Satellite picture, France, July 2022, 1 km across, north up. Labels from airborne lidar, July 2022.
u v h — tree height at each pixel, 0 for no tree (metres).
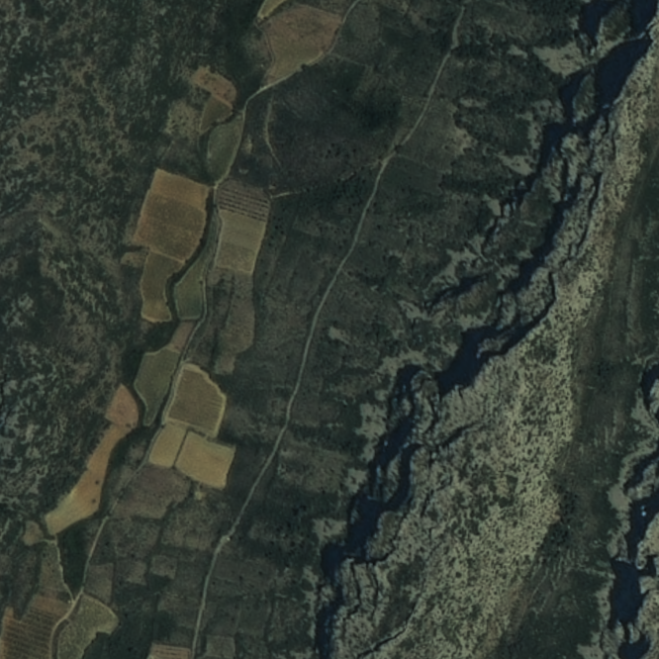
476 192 7
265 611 0
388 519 0
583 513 0
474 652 0
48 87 0
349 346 7
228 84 0
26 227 0
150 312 0
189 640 0
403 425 0
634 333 0
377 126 7
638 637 0
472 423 0
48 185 0
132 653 10
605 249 0
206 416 0
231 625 0
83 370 0
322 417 0
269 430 0
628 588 0
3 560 0
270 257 0
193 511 0
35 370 0
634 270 0
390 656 0
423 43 0
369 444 0
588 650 0
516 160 0
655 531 0
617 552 0
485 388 0
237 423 0
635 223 0
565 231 0
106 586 0
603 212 0
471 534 0
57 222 0
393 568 0
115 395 0
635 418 0
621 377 0
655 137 0
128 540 0
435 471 0
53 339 0
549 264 0
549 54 0
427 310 8
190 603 0
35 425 0
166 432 0
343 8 0
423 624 0
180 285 0
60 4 0
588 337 0
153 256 0
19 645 0
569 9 9
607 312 0
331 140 0
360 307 0
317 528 0
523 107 6
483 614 0
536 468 0
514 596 0
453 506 0
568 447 0
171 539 0
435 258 0
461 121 8
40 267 0
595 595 0
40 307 0
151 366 0
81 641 0
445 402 0
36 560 0
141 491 0
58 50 0
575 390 0
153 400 0
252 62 0
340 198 12
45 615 0
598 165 0
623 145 0
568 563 0
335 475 0
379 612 0
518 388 0
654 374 0
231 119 7
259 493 0
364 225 0
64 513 0
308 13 0
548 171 0
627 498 0
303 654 0
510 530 0
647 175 0
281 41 0
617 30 6
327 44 0
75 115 0
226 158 0
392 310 0
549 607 0
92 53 0
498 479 0
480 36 6
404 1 0
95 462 0
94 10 0
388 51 0
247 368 0
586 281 0
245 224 0
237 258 0
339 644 0
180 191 0
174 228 0
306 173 0
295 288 0
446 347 0
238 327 0
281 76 0
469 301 0
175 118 0
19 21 0
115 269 0
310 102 0
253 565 0
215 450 0
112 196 0
